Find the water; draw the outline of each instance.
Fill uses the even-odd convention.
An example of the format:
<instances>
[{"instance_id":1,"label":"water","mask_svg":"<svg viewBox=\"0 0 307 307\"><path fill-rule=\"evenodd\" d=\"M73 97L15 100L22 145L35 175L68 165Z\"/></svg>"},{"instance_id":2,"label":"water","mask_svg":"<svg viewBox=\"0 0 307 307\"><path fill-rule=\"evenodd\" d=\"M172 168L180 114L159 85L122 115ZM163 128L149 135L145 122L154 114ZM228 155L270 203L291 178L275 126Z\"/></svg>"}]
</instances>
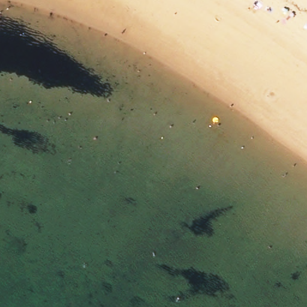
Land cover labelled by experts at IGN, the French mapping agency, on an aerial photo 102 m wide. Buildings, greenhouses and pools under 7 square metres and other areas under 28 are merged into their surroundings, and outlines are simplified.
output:
<instances>
[{"instance_id":1,"label":"water","mask_svg":"<svg viewBox=\"0 0 307 307\"><path fill-rule=\"evenodd\" d=\"M221 122L213 122L207 114L209 104L199 100L194 106L183 107L175 103L176 86L173 79L164 77L156 68L152 71L146 70L146 67L134 64L133 60L116 54L113 49L100 49L98 40L89 42L83 35L76 38L71 35L44 35L40 31L26 28L23 20L17 22L0 14L0 307L307 307L307 188L296 188L293 182L279 180L276 171L273 171L270 165L265 165L263 159L255 158L247 149L240 150L241 145L235 143L233 137L224 137Z\"/></svg>"}]
</instances>

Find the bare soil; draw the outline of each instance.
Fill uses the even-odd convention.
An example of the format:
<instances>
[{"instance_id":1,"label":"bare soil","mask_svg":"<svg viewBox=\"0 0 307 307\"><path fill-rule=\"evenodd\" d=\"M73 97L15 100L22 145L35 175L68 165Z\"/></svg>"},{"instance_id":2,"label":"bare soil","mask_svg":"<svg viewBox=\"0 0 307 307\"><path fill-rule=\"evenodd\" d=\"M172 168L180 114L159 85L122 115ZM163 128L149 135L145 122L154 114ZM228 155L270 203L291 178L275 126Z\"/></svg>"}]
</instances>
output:
<instances>
[{"instance_id":1,"label":"bare soil","mask_svg":"<svg viewBox=\"0 0 307 307\"><path fill-rule=\"evenodd\" d=\"M273 171L276 171L279 180L293 182L296 188L307 188L307 0L0 0L0 14L17 22L23 20L26 28L40 31L44 35L71 35L76 38L83 35L89 42L98 40L100 49L113 49L116 54L133 60L134 64L146 67L146 70L152 71L156 68L164 77L173 79L176 86L175 103L183 107L194 106L199 100L209 104L207 114L213 122L221 122L224 137L233 137L235 143L241 145L240 150L247 149L255 158L263 159L265 165L270 165Z\"/></svg>"}]
</instances>

